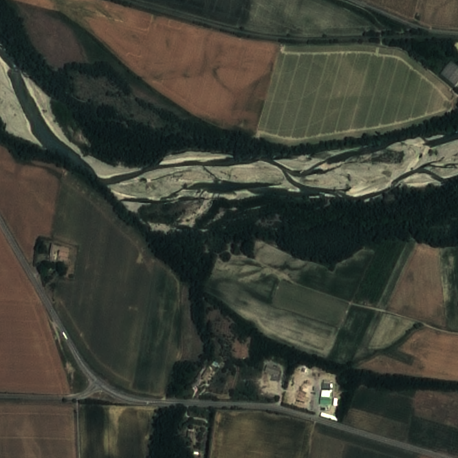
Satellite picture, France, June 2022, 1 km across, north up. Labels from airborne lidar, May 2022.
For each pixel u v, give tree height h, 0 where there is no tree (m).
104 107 14
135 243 0
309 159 0
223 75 0
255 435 0
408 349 0
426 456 0
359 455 0
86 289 0
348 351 0
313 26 0
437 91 0
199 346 0
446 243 20
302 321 0
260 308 0
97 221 0
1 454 0
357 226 9
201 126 12
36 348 0
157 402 0
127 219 18
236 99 0
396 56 0
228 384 0
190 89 0
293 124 0
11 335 0
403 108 0
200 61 0
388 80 0
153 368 0
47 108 0
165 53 0
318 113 0
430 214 18
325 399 0
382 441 0
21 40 22
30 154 20
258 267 0
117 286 0
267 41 0
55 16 0
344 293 0
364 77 0
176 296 0
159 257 17
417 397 0
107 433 0
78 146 0
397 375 11
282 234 11
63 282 0
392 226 17
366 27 0
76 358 0
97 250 0
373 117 0
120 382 0
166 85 0
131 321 0
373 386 10
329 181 0
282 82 0
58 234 0
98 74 16
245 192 0
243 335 6
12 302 0
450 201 20
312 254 21
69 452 0
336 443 0
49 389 0
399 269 0
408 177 0
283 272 0
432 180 0
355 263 0
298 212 16
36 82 22
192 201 0
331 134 0
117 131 20
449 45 14
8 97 0
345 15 0
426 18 0
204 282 24
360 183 0
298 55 0
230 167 0
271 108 0
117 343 0
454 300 0
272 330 0
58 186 0
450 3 0
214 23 0
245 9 0
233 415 0
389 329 0
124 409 0
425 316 0
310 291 0
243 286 0
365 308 0
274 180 0
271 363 0
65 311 0
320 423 0
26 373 0
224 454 0
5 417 0
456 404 0
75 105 21
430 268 0
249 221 6
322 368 8
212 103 0
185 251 17
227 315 9
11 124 0
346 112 0
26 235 0
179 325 0
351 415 0
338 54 0
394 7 0
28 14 0
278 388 0
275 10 0
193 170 0
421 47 14
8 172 0
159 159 18
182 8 0
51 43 0
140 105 10
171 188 0
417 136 17
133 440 0
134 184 0
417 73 0
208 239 15
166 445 19
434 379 9
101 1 0
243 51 0
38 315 0
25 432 0
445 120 24
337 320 0
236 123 0
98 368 0
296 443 0
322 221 9
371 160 0
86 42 0
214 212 7
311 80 0
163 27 0
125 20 0
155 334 0
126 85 15
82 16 0
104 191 16
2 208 0
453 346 0
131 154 18
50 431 0
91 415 0
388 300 0
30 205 0
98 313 0
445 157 0
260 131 0
